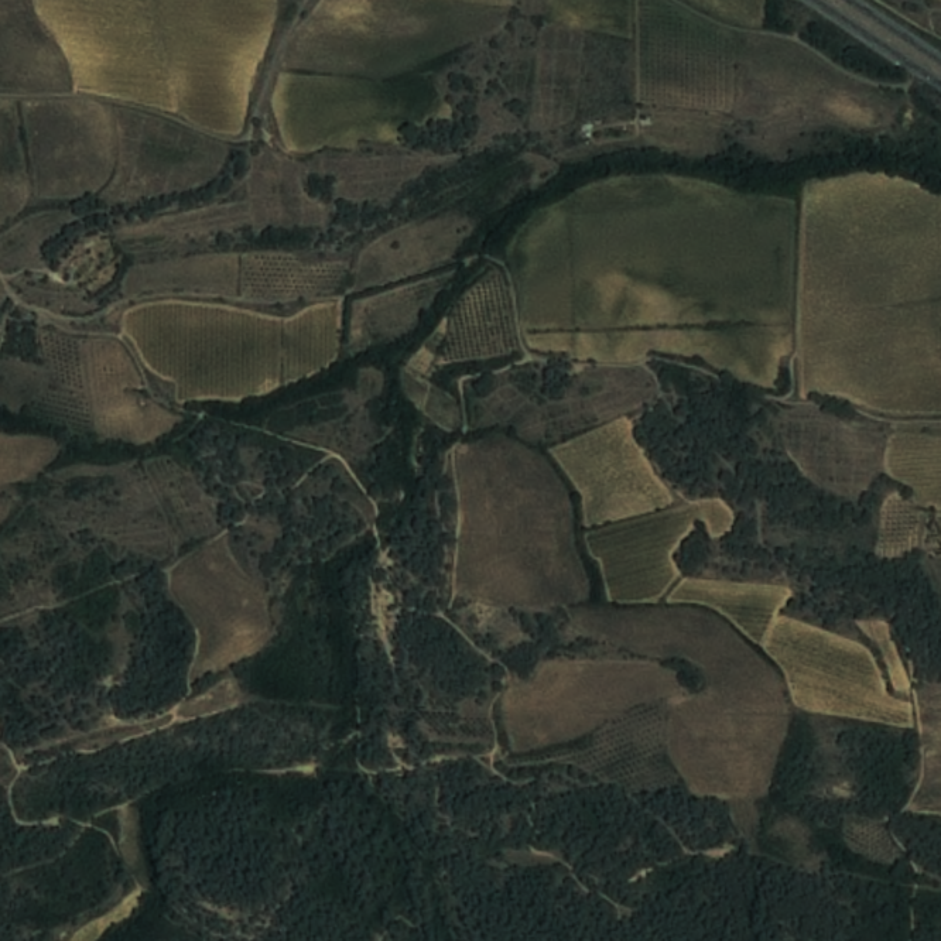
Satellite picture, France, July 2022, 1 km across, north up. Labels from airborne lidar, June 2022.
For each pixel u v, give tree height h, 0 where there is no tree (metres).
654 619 0
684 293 0
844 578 14
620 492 0
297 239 6
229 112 0
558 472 8
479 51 0
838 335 0
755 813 0
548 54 0
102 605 8
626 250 0
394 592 8
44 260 9
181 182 0
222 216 0
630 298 0
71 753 7
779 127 0
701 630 0
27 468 0
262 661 6
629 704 0
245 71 0
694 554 9
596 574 9
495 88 9
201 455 11
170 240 0
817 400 11
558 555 0
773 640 0
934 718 0
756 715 0
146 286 0
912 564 10
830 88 0
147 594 12
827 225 0
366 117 0
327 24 0
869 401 0
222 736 13
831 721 0
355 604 15
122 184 0
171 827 14
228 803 18
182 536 0
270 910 10
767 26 6
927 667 7
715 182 12
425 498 11
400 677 10
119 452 14
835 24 0
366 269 0
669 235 0
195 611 0
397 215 14
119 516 0
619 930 12
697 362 8
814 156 7
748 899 13
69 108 0
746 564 9
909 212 0
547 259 0
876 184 0
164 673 12
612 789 14
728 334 0
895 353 0
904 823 9
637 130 0
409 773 10
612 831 16
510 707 0
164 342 0
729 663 0
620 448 0
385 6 0
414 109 0
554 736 0
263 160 0
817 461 0
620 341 0
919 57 0
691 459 10
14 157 0
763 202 0
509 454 0
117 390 0
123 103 0
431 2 0
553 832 12
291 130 0
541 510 0
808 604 16
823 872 11
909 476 0
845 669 0
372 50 0
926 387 0
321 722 9
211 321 0
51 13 0
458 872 8
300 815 13
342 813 13
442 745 8
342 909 8
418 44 0
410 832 16
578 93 0
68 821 9
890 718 0
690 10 0
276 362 0
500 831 10
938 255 0
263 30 0
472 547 0
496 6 0
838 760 6
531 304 0
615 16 0
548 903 11
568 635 0
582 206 0
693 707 0
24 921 7
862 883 9
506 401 0
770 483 9
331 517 13
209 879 12
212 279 0
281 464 9
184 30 0
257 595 0
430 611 13
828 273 0
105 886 13
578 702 0
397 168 0
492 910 12
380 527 10
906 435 0
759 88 0
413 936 13
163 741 9
